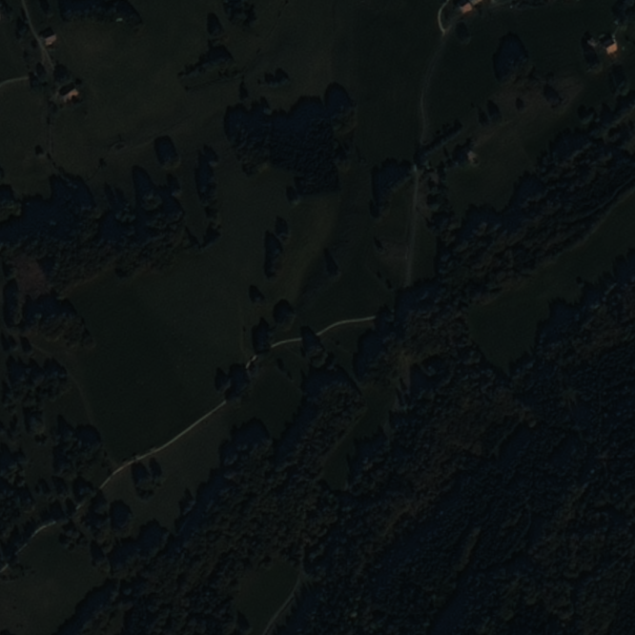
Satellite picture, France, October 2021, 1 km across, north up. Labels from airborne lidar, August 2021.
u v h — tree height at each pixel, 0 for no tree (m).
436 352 18
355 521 19
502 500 25
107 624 8
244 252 0
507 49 0
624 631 24
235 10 22
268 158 17
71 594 0
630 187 17
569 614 19
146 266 23
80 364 0
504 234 21
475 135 0
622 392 29
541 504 28
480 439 23
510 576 23
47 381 10
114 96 0
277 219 0
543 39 0
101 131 0
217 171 0
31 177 0
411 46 0
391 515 24
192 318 0
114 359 0
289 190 0
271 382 0
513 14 0
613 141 8
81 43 0
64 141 0
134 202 0
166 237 26
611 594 21
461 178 0
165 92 0
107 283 0
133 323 0
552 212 18
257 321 0
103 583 0
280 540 21
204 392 0
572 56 0
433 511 6
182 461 0
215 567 15
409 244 0
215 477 0
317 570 21
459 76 0
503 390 23
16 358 0
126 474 0
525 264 14
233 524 29
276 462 22
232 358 0
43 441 6
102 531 20
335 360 7
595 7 0
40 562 0
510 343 0
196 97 0
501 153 0
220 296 0
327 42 0
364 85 0
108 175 0
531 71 10
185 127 0
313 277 0
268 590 0
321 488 9
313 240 0
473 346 18
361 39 0
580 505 21
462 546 28
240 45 0
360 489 12
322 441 20
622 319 20
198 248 14
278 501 29
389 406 0
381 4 0
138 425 0
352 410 24
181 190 11
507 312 0
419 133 0
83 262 25
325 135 29
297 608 0
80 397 0
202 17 0
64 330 19
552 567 25
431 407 23
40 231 23
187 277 0
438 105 0
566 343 18
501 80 17
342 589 19
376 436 0
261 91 0
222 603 7
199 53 0
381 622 14
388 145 0
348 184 0
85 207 27
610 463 24
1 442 0
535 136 0
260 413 0
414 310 22
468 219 0
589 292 0
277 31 0
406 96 0
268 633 0
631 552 25
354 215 0
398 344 24
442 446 19
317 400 24
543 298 0
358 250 0
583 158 13
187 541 24
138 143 0
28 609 0
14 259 25
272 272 15
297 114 0
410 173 10
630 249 0
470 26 0
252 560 20
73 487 0
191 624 25
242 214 0
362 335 0
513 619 6
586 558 22
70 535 12
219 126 0
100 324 0
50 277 26
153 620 19
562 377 23
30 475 0
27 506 21
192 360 0
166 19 0
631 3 17
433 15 0
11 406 8
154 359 0
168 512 0
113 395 0
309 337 0
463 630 28
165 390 0
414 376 0
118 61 0
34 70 0
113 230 0
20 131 0
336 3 0
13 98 0
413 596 6
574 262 0
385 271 0
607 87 0
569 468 27
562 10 0
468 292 9
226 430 0
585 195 20
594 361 26
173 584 24
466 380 26
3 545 0
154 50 0
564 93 0
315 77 0
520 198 7
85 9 15
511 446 0
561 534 24
